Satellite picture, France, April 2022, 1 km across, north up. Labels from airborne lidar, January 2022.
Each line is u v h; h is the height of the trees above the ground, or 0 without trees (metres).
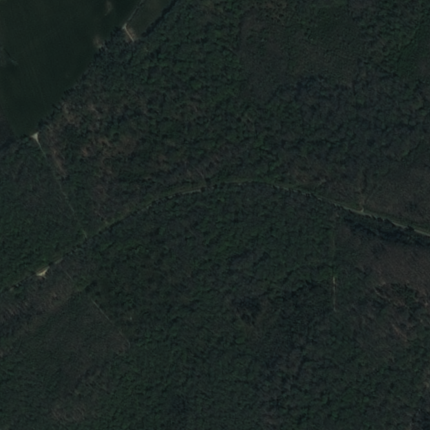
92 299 22
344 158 29
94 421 27
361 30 20
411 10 25
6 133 0
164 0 0
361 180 29
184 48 27
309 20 21
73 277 27
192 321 30
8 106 0
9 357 23
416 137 31
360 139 32
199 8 23
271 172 13
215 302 24
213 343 26
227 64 23
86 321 16
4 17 0
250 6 5
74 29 0
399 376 26
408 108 29
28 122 0
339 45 6
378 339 29
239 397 24
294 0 27
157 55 0
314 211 13
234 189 22
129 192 10
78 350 18
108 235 28
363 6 31
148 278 0
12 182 25
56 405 26
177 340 18
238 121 27
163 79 26
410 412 26
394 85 29
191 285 27
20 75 0
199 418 26
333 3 26
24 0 0
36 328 17
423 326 27
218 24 24
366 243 23
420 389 26
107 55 23
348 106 27
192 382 26
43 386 21
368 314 28
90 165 27
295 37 16
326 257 28
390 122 29
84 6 0
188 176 28
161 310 26
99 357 19
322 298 11
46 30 0
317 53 10
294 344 11
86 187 25
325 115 34
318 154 26
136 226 30
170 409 22
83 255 28
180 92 22
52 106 0
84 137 17
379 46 26
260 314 30
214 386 25
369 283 27
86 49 0
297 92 25
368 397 19
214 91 25
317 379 18
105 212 27
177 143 25
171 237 27
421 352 26
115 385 26
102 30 0
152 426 21
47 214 24
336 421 27
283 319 20
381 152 29
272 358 9
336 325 26
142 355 22
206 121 19
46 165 23
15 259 22
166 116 22
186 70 24
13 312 25
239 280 34
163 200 0
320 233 23
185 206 25
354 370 26
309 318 11
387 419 28
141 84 28
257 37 11
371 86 27
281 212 32
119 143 24
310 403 29
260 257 25
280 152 29
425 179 0
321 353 27
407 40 24
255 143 30
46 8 0
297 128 29
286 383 14
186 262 26
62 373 16
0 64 21
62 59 0
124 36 23
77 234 24
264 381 28
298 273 20
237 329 21
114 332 17
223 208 28
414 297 15
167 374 24
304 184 25
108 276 25
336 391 29
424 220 19
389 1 7
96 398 27
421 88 16
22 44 0
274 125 28
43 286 23
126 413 23
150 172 25
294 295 6
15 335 22
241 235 25
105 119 30
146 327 26
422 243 7
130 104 31
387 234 8
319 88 29
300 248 26
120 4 0
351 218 19
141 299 28
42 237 25
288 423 25
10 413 24
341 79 7
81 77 0
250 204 27
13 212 22
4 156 25
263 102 24
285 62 18
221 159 27
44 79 0
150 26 0
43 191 24
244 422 23
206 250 21
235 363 25
